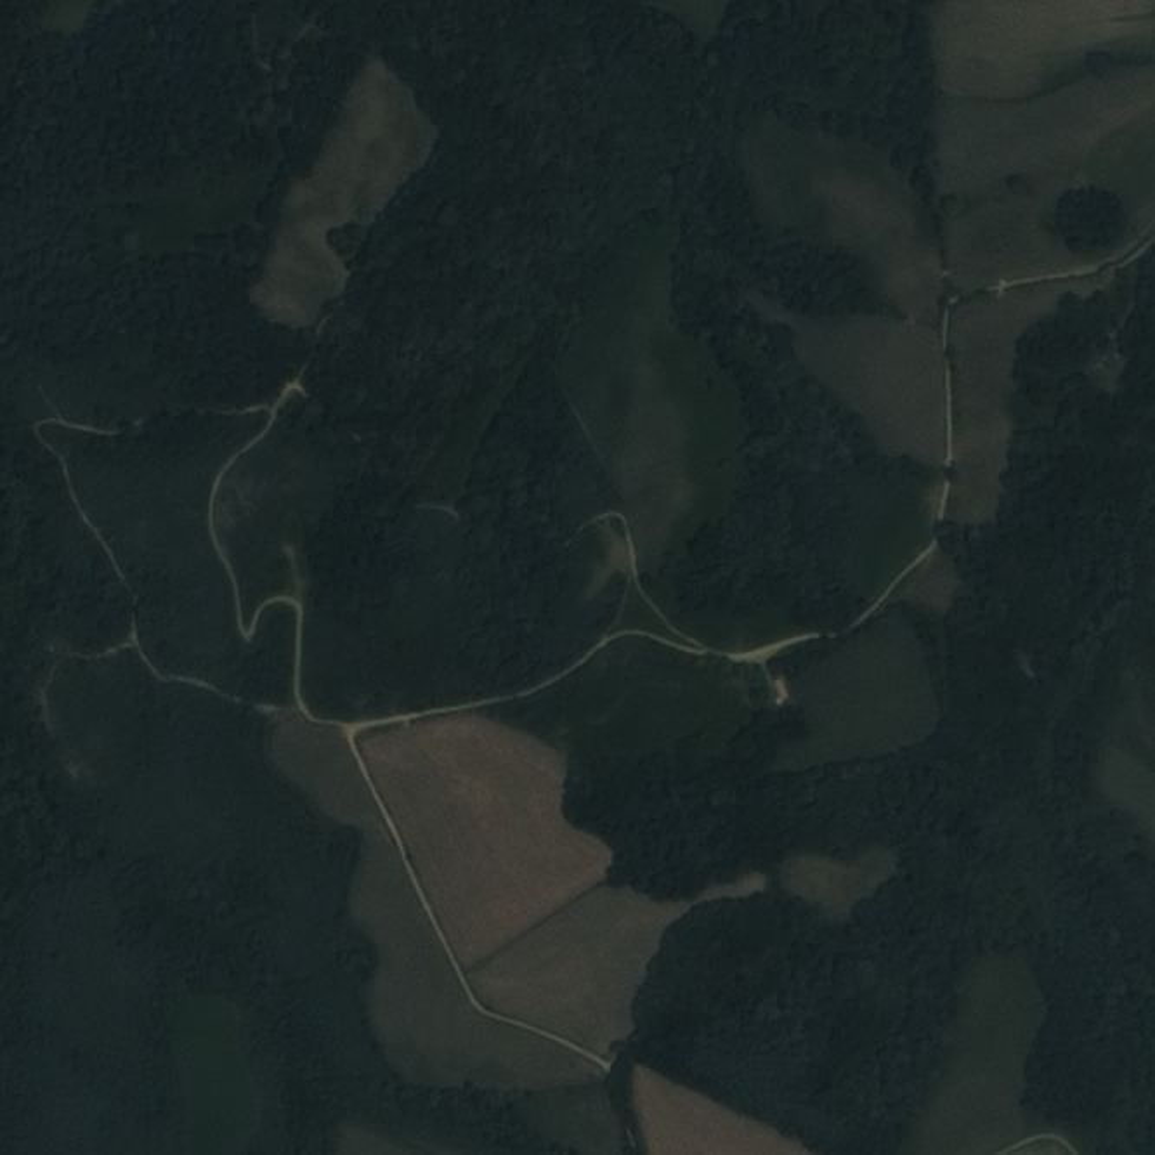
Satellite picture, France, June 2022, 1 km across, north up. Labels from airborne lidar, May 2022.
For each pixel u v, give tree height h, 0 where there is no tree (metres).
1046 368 16
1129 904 11
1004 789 13
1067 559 26
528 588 9
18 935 14
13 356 15
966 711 18
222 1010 0
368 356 23
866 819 20
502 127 9
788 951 12
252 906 13
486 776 0
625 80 23
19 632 8
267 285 0
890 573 0
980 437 0
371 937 0
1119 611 27
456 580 10
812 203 0
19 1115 6
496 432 21
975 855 13
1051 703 27
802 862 0
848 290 20
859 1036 18
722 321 29
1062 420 13
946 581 0
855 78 9
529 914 0
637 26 29
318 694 0
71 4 0
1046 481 20
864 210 0
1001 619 15
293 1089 14
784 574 15
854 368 0
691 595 22
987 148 0
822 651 7
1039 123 0
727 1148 0
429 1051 0
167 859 7
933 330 0
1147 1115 12
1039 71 0
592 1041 0
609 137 11
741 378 25
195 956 7
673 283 7
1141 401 23
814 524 17
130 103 19
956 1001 15
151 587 15
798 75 7
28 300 8
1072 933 8
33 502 22
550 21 28
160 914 10
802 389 14
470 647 12
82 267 17
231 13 20
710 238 29
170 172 14
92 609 21
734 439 0
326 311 8
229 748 6
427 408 13
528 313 18
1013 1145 0
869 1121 29
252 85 20
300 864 6
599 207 14
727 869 16
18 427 10
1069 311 13
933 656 9
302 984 7
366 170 0
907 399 0
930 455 0
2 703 12
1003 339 0
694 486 0
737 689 0
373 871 0
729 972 22
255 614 0
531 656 6
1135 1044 23
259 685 6
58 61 22
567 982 0
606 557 0
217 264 15
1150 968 19
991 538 14
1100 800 0
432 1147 0
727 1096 18
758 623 0
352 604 16
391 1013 0
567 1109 0
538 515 17
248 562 0
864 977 18
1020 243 0
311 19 8
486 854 0
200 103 21
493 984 0
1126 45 0
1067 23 0
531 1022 0
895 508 0
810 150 0
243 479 0
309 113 18
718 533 11
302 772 0
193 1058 0
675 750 7
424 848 0
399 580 16
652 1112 0
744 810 28
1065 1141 0
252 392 7
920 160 19
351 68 20
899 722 0
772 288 26
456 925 0
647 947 0
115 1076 6
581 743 0
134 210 14
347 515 17
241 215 0
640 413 0
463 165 21
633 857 18
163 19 21
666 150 25
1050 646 21
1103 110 0
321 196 0
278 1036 11
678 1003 25
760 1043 16
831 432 12
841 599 17
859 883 0
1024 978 0
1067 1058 28
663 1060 23
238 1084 0
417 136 0
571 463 7
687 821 25
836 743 0
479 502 18
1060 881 13
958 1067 0
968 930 6
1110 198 14
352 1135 0
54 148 26
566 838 0
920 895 22
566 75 15
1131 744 0
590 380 0
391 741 0
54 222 16
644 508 0
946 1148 0
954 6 0
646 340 0
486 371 19
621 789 13
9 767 19
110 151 22
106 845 10
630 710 0
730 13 14
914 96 26
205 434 9
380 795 0
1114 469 19
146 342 7
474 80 15
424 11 12
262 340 20
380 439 15
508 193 12
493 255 22
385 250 23
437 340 16
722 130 18
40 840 10
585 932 0
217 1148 0
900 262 0
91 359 6
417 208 25
